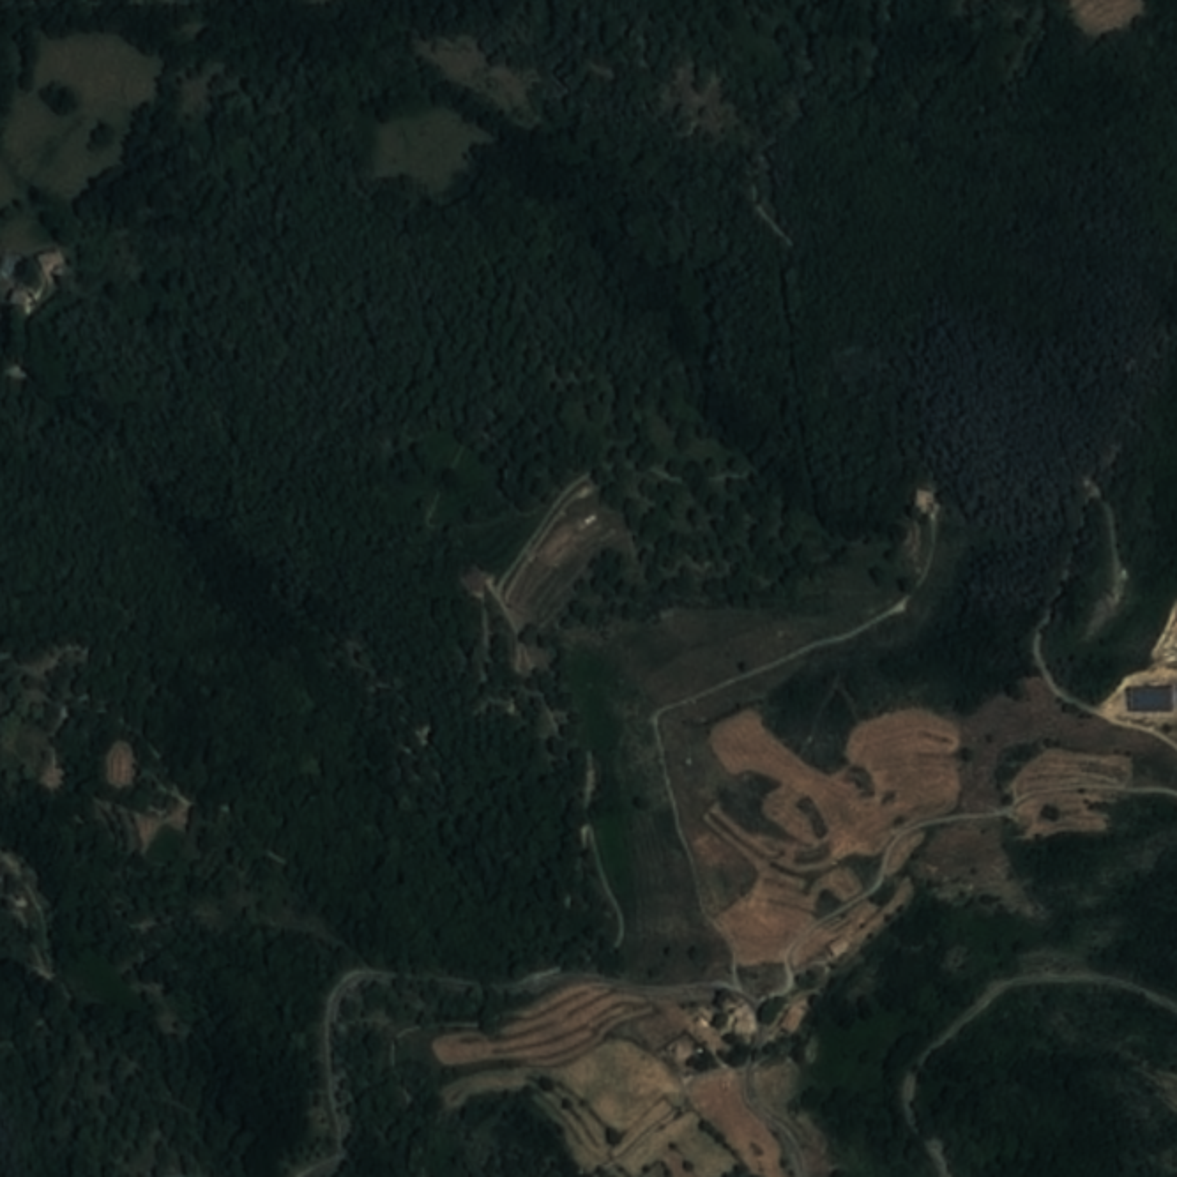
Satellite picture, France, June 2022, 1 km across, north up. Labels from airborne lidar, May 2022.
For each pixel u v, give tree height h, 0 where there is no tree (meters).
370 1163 9
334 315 15
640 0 13
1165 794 0
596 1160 0
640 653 0
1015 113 14
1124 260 18
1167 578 7
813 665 0
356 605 17
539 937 8
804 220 11
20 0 17
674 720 0
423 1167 11
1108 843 6
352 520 13
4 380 15
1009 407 16
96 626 10
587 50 13
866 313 16
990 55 20
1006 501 10
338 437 11
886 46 16
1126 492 15
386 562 18
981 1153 10
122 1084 12
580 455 14
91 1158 13
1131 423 14
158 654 16
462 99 9
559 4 15
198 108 0
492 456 16
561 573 0
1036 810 0
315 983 15
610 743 0
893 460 12
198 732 17
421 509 9
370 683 10
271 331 13
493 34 11
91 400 12
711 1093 0
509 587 0
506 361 18
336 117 15
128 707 10
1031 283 18
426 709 10
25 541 20
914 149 19
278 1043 11
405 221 12
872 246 16
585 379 14
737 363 20
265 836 12
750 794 0
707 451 0
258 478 13
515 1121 9
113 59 0
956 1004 8
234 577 23
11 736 8
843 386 8
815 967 0
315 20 23
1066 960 0
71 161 0
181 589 14
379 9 19
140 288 10
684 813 0
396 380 14
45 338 9
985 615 10
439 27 8
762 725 0
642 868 0
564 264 10
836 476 17
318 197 17
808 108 17
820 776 0
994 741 7
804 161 14
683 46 9
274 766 20
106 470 17
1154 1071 9
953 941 7
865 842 0
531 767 8
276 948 15
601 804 6
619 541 0
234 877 6
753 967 0
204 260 9
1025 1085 14
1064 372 8
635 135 12
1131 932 9
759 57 12
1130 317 16
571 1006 0
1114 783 0
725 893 0
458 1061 0
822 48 16
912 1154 12
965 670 6
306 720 14
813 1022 9
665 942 0
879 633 0
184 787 12
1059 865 6
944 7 18
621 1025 0
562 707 9
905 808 0
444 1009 8
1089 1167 6
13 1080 6
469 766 15
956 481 15
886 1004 12
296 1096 12
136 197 22
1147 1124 6
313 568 19
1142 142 13
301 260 10
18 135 0
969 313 17
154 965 14
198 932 8
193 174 17
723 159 11
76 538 16
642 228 10
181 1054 16
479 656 17
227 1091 19
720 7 15
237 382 16
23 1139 13
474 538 0
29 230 0
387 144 0
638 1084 0
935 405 17
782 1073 0
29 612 14
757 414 21
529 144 18
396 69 11
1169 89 16
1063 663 9
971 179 15
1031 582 16
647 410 12
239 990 17
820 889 0
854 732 0
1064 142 15
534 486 11
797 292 18
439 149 0
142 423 9
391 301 17
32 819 17
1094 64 12
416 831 16
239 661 22
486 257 15
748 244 14
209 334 10
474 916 20
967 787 0
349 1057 10
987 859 0
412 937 16
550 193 18
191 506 14
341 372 14
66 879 16
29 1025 14
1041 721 0
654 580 11
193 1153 8
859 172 16
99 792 14
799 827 0
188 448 16
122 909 9
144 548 22
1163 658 0
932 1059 8
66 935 16
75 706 10
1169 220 20
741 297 19
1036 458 16
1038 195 19
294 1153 7
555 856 12
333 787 16
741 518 11
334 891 18
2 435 16
